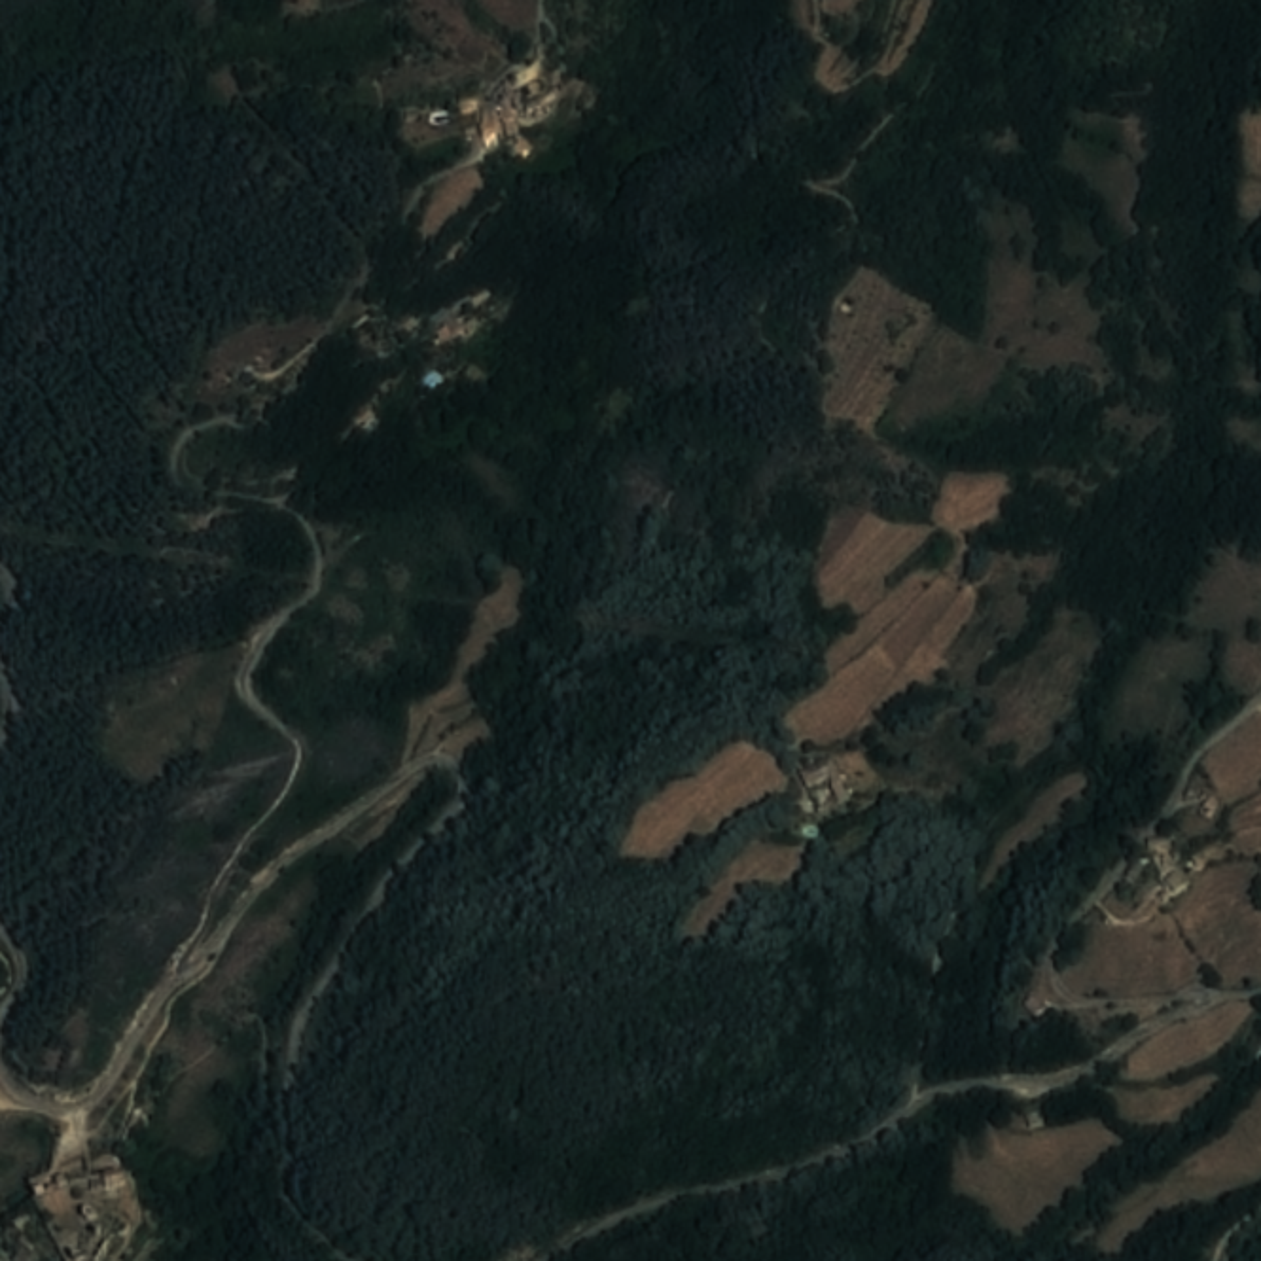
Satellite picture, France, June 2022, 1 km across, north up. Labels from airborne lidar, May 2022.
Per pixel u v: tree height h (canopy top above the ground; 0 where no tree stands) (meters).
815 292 8
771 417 19
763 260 18
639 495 0
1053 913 24
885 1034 17
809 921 15
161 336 19
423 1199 28
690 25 23
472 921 13
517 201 13
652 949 22
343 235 17
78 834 20
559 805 11
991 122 12
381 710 10
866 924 20
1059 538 10
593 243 20
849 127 10
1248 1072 12
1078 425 14
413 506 10
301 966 11
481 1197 30
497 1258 10
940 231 9
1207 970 10
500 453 10
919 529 0
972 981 23
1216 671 10
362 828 0
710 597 25
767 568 17
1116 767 11
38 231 21
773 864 0
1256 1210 15
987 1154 0
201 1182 17
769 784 0
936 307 8
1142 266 11
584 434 14
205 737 0
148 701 0
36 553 20
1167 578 21
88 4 9
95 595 25
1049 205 13
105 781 17
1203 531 11
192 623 21
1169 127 15
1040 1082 0
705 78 22
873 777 0
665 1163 17
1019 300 0
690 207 20
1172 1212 12
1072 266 11
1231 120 10
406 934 11
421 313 12
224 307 19
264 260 23
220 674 0
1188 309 15
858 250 7
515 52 13
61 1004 16
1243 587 0
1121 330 13
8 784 23
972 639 0
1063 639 0
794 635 20
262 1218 18
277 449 14
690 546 8
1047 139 16
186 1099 0
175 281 22
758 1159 16
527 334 7
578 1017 19
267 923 0
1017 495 10
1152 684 0
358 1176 25
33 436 26
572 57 6
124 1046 0
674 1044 20
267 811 0
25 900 22
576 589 10
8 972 8
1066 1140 0
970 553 10
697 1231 15
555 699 15
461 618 11
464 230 13
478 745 11
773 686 7
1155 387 14
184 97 11
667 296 19
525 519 13
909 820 23
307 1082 20
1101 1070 11
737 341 17
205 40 5
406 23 10
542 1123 24
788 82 30
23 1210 8
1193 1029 0
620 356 17
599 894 17
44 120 26
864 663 0
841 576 0
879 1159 14
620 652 19
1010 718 0
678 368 19
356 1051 22
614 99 8
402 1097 15
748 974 24
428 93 6
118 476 19
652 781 18
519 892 16
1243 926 0
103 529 15
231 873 7
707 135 22
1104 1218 9
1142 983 0
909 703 16
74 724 15
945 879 25
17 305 20
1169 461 17
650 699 12
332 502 17
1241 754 0
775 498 7
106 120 20
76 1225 0
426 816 9
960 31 10
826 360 9
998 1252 8
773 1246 8
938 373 0
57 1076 10
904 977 23
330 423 19
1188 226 13
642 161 21
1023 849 13
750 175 12
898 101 9
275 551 14
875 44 7
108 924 11
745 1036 19
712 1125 16
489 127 0
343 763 0
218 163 22
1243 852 8
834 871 16
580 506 12
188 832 0
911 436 7
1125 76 13
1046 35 19
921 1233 9
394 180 18
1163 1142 22
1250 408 8
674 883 23
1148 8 9
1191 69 18
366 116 6
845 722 0
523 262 16
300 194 16
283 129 16
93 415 22
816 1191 11
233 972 0
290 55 10
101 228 23
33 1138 0
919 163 9
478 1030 19
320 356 15
